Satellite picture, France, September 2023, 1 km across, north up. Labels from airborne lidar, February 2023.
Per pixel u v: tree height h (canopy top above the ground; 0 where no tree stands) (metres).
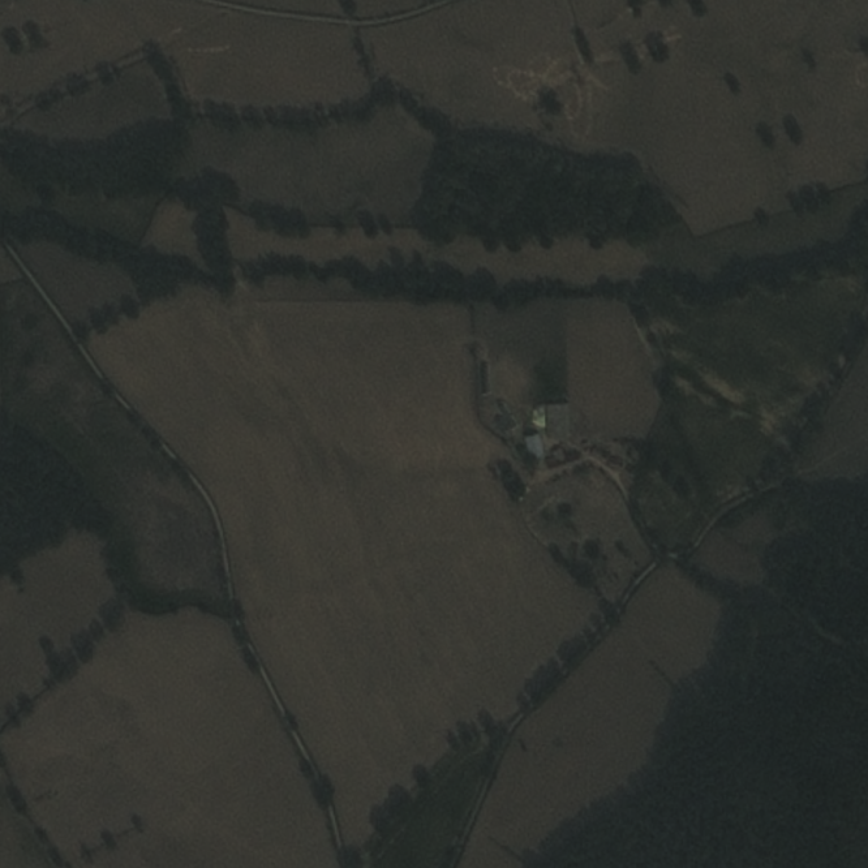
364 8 0
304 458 0
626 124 0
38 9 0
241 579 0
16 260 0
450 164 19
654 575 0
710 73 0
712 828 23
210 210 24
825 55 0
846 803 13
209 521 0
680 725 20
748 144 0
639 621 0
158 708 0
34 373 0
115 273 0
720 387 0
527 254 0
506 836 0
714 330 0
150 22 0
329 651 0
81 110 0
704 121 0
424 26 0
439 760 0
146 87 0
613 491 0
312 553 0
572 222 23
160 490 0
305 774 11
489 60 0
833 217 0
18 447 23
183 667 0
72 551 0
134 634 0
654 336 9
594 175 21
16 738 0
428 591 0
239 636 14
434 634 0
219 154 0
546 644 0
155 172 22
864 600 7
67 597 0
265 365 0
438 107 0
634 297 14
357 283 20
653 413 0
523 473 0
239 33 0
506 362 0
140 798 0
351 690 0
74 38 0
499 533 0
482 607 0
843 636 16
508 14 0
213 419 0
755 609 24
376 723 0
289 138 0
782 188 0
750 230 0
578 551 0
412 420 0
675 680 0
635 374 0
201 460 0
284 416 0
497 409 0
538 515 0
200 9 0
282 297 0
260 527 0
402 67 0
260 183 0
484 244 19
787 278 20
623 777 0
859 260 15
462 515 0
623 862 25
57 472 19
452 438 0
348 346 0
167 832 0
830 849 19
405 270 31
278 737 0
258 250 0
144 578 0
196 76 0
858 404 0
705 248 0
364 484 0
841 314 0
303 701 0
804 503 16
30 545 17
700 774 16
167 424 0
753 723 23
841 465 0
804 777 18
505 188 21
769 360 0
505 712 0
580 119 0
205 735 0
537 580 0
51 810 0
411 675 0
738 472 0
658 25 0
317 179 0
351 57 0
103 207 0
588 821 20
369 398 0
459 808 0
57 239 16
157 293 14
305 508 0
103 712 0
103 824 0
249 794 0
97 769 0
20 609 0
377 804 0
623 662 0
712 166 0
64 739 0
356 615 0
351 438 0
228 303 0
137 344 0
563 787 0
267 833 0
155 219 0
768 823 22
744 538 0
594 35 0
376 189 0
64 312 0
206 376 0
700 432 0
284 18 0
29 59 0
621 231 13
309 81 0
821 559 21
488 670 0
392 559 0
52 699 0
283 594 0
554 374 0
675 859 25
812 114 0
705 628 0
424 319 0
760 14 0
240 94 0
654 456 17
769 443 0
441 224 22
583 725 0
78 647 18
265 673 0
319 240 0
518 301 9
